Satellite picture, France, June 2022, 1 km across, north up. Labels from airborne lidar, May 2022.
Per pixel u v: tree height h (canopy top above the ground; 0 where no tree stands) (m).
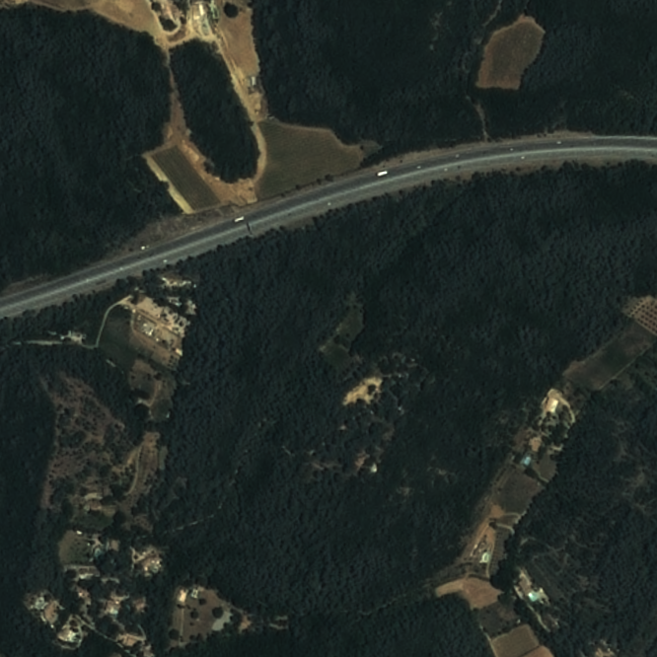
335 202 0
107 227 17
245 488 18
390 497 15
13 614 10
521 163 0
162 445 11
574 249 22
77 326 16
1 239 11
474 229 9
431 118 13
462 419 13
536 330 22
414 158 0
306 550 9
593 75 7
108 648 18
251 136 12
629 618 14
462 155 0
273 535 20
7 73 17
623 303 24
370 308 14
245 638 7
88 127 13
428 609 8
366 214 6
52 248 16
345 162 0
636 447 8
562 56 17
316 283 10
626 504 6
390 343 7
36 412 9
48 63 17
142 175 9
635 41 6
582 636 19
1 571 10
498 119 8
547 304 21
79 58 13
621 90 10
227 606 0
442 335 6
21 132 21
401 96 19
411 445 6
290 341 7
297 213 0
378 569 18
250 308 11
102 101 7
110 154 13
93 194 12
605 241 23
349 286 21
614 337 15
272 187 0
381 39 8
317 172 0
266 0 21
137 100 19
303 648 13
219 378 19
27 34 13
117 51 11
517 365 10
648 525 19
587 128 6
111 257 0
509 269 24
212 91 8
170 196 15
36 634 10
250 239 16
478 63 17
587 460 7
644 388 14
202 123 12
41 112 21
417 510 20
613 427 7
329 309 20
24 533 10
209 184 0
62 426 11
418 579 11
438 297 18
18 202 8
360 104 12
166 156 0
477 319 9
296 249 14
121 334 0
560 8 8
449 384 6
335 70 15
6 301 0
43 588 21
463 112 16
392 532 9
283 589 23
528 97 9
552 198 22
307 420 16
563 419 6
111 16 0
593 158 0
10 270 8
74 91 14
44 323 17
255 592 17
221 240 0
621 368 0
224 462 8
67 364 19
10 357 7
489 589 0
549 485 12
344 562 15
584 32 10
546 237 12
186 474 16
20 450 9
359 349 17
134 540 8
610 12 11
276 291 19
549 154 0
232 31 0
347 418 15
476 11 10
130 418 17
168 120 13
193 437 14
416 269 16
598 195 11
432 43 10
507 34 0
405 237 10
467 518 12
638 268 9
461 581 0
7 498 8
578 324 6
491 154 0
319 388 20
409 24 10
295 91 9
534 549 8
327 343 21
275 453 19
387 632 17
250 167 19
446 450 5
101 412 9
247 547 15
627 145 0
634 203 9
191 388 16
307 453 7
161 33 0
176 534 16
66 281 0
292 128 0
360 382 19
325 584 22
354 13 7
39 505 8
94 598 22
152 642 20
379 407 19
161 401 0
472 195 16
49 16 13
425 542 9
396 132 16
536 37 0
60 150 20
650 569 9
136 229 8
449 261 19
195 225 0
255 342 12
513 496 0
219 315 21
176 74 14
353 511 8
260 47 11
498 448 7
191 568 20
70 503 14
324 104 7
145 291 19
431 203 15
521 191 14
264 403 20
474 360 6
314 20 15
